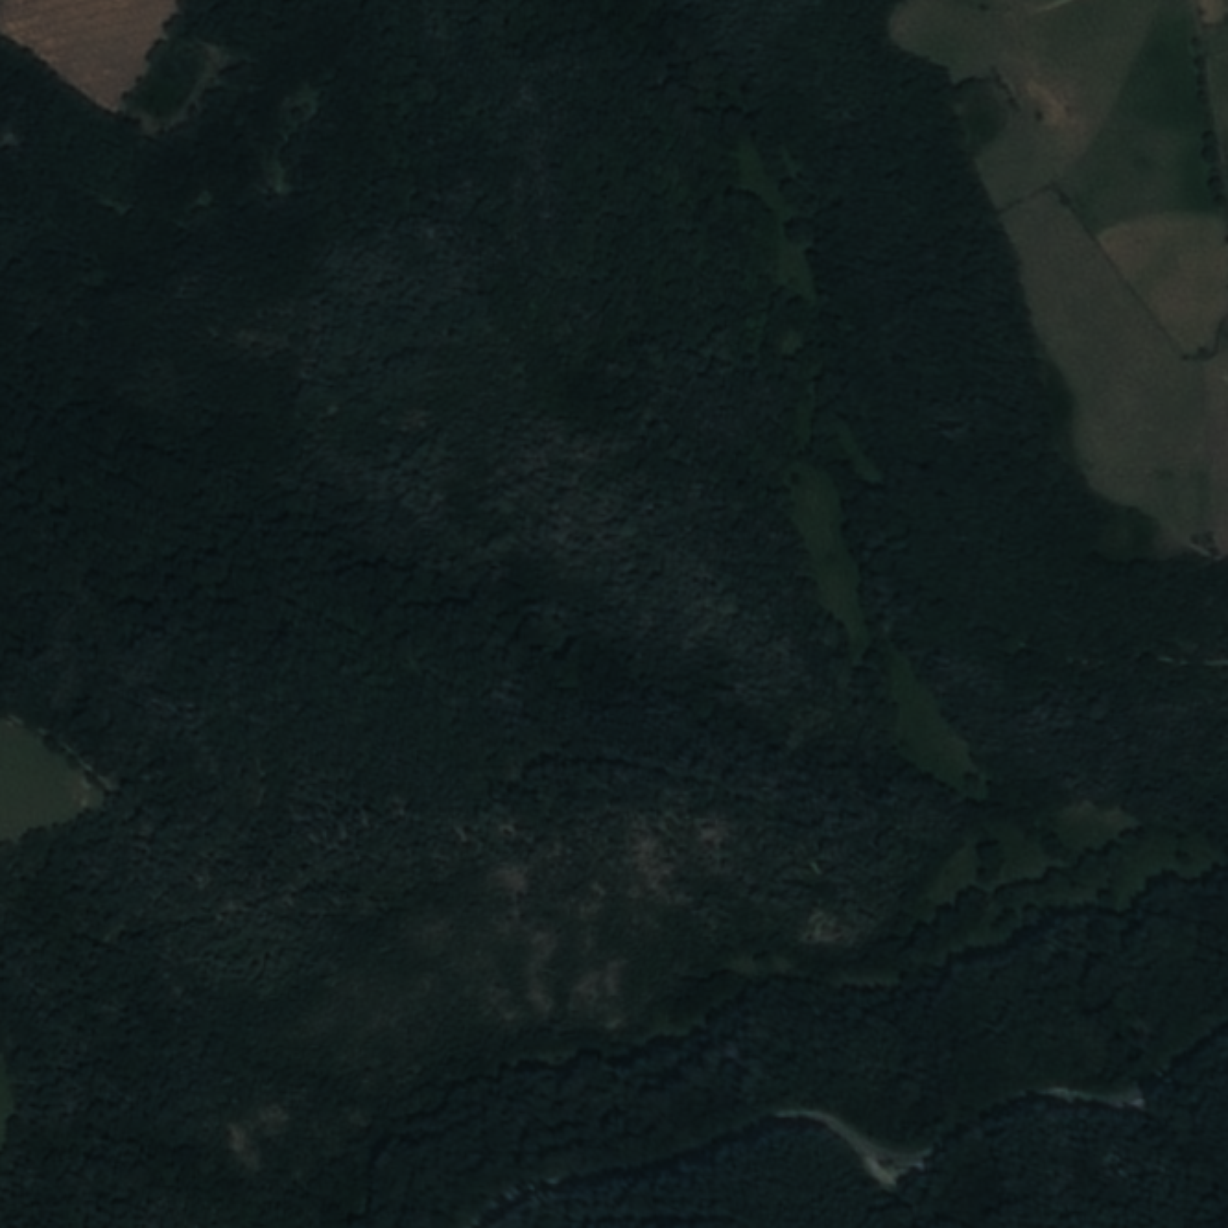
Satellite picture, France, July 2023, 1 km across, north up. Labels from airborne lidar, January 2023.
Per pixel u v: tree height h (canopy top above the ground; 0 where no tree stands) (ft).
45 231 47
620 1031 22
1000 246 46
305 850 38
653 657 89
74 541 69
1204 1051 40
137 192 31
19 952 53
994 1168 46
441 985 40
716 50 60
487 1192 58
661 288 70
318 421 70
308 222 62
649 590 66
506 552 99
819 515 0
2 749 0
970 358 55
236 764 49
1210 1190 80
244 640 55
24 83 43
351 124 41
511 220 61
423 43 62
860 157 64
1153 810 85
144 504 26
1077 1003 68
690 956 22
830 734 27
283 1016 48
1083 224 0
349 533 79
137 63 0
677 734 89
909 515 58
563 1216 95
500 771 79
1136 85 0
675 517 75
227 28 47
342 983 23
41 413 72
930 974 59
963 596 69
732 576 76
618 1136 92
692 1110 81
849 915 35
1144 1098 0
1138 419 0
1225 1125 100
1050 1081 63
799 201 67
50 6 0
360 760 44
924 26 0
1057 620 61
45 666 71
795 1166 102
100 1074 71
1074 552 52
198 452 82
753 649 81
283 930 82
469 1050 48
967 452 70
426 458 67
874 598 86
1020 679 62
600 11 66
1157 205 0
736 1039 37
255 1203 21
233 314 52
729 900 54
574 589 22
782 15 78
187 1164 78
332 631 63
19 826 0
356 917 31
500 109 44
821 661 54
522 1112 62
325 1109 40
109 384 57
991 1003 90
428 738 68
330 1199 30
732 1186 90
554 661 93
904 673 0
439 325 33
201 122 41
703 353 33
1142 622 47
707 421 81
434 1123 78
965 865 0
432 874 33
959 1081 81
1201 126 0
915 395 63
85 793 0
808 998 49
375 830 83
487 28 79
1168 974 93
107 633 72
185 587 71
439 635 75
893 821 52
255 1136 18
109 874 48
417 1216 50
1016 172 0
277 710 46
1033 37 0
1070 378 0
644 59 58
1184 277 0
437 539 91
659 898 22
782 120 90
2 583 68
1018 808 31
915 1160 0
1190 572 32
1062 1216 99
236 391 63
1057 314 0
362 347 50
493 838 58
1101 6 0
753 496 101
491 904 21
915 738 0
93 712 63
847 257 50
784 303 77
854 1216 102
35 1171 78
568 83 59
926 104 71
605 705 72
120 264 39
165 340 50
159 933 48
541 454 77
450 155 43
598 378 43
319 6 45
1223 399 0
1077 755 86
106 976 56
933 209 58
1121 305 0
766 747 97
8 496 61
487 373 31
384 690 62
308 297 61
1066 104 0
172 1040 62
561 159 66
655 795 70
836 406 50
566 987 33
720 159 77
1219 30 0
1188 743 86
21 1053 68
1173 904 62
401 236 58
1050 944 81
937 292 26
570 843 43
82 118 64
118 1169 92
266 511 81
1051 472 22
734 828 62
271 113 32
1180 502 0
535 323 23
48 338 64
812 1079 68
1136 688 64
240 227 59
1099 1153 94
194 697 55
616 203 66
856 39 49
